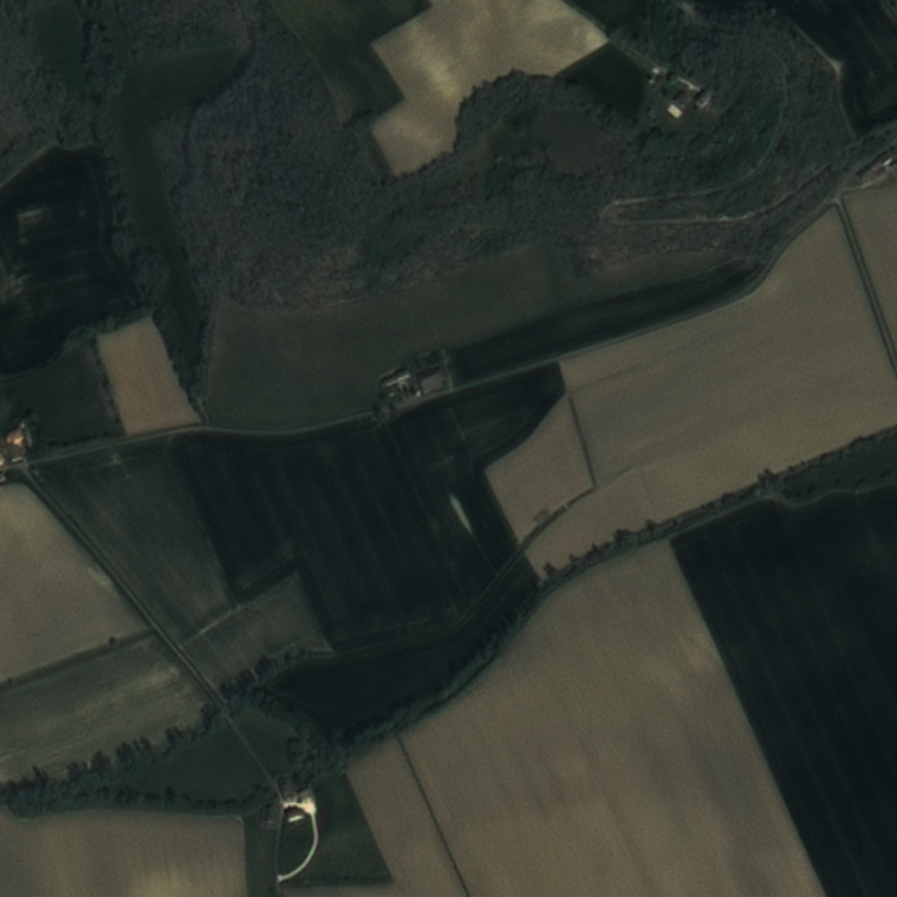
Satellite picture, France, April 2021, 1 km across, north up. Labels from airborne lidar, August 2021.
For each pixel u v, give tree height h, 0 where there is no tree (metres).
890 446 0
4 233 0
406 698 0
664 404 0
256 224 16
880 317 0
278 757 0
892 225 0
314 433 0
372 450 0
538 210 21
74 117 22
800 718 0
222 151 6
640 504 0
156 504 0
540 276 0
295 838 0
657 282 0
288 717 26
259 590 0
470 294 0
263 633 0
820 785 0
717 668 0
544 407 0
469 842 0
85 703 0
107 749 0
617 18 0
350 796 0
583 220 18
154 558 0
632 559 0
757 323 0
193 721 0
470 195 13
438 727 0
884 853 0
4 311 0
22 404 0
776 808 0
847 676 0
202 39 12
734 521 0
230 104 12
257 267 7
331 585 0
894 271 0
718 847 0
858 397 0
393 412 15
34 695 0
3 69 22
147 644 0
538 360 0
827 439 0
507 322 0
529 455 0
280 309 13
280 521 0
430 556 0
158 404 0
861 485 6
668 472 0
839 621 0
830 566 0
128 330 0
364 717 0
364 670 0
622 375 0
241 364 0
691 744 0
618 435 0
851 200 0
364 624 0
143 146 0
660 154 22
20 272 0
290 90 16
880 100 0
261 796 15
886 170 0
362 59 0
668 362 0
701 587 0
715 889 0
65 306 0
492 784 0
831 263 0
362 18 0
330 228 22
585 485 0
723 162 8
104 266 0
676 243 16
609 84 0
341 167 12
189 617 0
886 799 0
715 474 0
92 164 0
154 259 20
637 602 0
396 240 8
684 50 11
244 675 0
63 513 0
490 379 0
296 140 14
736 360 0
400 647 0
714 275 0
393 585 0
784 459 0
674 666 0
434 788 0
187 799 12
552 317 0
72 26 0
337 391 0
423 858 0
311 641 0
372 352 0
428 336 0
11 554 0
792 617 0
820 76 8
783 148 9
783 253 0
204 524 0
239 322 0
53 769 0
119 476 0
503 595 0
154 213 0
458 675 19
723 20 6
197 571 0
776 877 0
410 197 26
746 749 0
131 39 7
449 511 0
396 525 0
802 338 0
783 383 0
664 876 0
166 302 0
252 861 0
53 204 0
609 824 0
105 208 0
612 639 0
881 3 0
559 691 0
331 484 0
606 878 0
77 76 0
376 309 0
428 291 0
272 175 16
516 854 0
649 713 0
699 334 0
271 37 17
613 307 0
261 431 0
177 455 0
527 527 0
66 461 0
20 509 0
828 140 20
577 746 0
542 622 0
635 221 9
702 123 0
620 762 0
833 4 0
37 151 13
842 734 0
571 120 0
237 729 0
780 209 12
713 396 0
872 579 0
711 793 0
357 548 0
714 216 12
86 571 0
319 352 0
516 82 18
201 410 7
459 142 10
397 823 0
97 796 20
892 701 0
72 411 0
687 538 0
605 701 0
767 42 20
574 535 0
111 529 0
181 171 10
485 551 0
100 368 12
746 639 0
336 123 15
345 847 0
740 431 0
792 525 0
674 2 9
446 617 0
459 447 0
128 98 0
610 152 0
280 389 0
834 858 0
